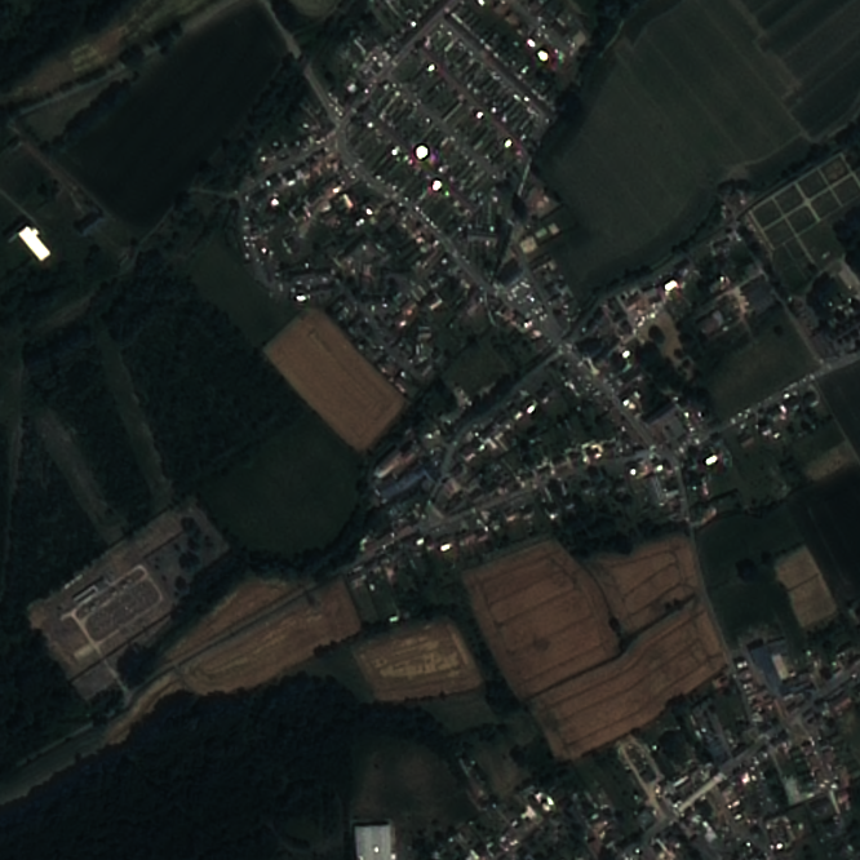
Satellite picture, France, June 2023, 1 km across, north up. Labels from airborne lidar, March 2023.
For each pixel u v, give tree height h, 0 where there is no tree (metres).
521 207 22
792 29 0
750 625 0
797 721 0
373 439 0
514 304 0
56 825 27
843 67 0
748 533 0
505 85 0
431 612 12
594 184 0
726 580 0
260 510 0
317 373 0
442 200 0
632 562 0
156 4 0
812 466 0
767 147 0
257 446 11
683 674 0
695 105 0
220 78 0
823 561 0
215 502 0
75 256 0
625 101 0
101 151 0
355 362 0
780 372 0
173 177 0
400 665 0
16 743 17
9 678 13
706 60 0
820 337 0
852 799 11
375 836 0
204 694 0
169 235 0
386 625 7
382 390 0
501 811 0
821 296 16
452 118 0
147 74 0
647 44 0
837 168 0
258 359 16
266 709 20
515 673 0
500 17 0
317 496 0
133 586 0
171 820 22
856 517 0
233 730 22
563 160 0
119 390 0
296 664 0
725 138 0
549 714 0
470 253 0
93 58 0
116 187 0
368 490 15
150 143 0
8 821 28
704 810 11
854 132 13
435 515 0
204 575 11
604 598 0
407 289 0
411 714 18
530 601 0
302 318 0
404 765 0
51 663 7
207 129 0
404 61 0
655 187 0
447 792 0
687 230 0
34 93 0
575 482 0
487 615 0
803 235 0
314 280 0
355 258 0
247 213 0
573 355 0
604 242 0
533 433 7
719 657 0
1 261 0
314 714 19
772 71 0
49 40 21
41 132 0
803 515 0
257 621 0
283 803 18
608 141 0
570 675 0
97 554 15
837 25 0
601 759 6
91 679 0
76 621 0
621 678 0
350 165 0
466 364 0
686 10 0
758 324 0
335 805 9
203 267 0
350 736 16
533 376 0
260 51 0
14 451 0
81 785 27
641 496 0
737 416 0
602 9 14
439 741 15
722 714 0
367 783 0
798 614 0
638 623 0
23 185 0
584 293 0
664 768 8
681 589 0
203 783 19
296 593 0
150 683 0
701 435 0
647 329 0
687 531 7
